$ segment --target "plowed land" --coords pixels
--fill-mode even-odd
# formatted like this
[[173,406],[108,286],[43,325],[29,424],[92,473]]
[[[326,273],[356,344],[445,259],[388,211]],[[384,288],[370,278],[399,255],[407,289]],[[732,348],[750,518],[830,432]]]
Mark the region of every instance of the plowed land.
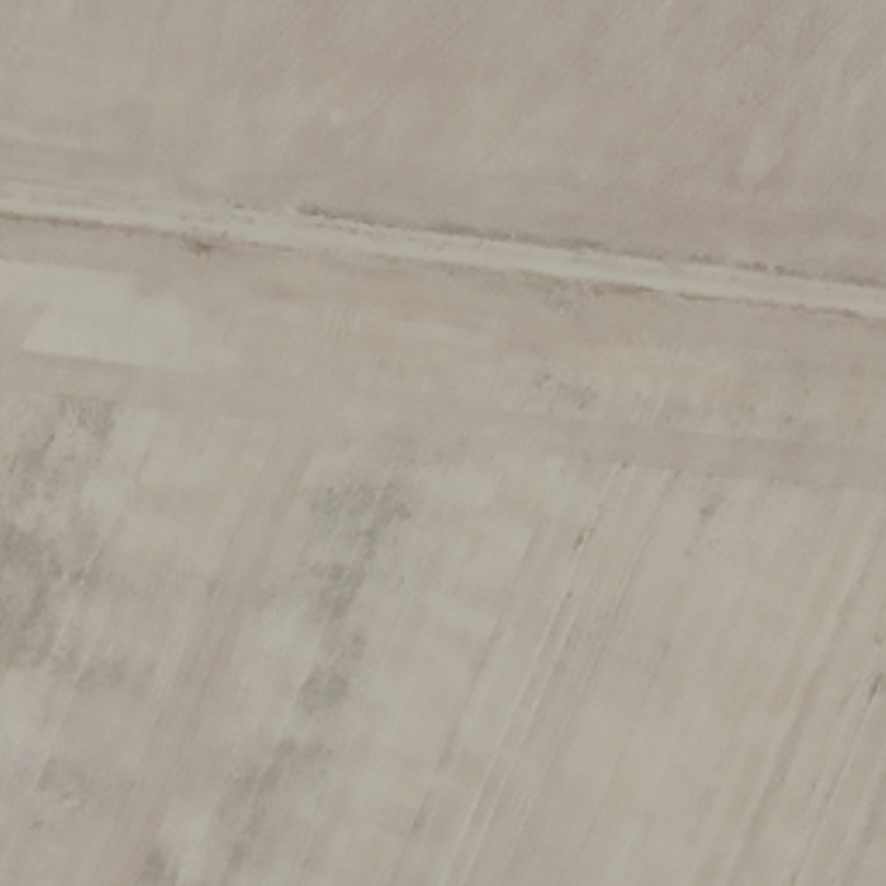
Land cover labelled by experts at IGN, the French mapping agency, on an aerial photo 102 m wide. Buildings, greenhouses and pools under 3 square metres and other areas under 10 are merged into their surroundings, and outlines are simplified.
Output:
[[201,239],[190,232],[166,232],[152,225],[0,211],[0,886],[886,886],[886,311],[872,318],[851,308],[806,308],[754,298],[658,291],[640,284],[578,280],[536,270],[491,270],[446,260],[408,260],[363,249],[350,256],[339,249],[305,249],[228,235]]
[[218,201],[228,208],[270,211],[287,204],[298,215],[350,218],[384,228],[526,242],[547,249],[595,249],[661,263],[706,263],[799,280],[879,287],[886,294],[886,0],[0,0],[0,197],[10,197],[10,183],[24,183],[31,201],[87,208],[132,204],[135,211],[149,211],[149,201]]

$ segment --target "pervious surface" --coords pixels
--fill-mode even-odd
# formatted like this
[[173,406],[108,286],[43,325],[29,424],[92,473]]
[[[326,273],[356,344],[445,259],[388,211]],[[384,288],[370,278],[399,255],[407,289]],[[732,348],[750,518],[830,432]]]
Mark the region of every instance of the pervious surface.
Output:
[[363,249],[408,260],[446,260],[491,270],[536,270],[578,280],[640,284],[658,291],[754,298],[806,308],[851,308],[872,318],[886,311],[886,294],[879,287],[799,280],[706,263],[661,263],[595,249],[547,249],[526,242],[384,228],[350,218],[298,215],[287,204],[270,211],[228,208],[218,201],[149,201],[149,211],[135,211],[132,204],[87,208],[31,201],[24,183],[10,183],[10,197],[0,197],[0,211],[152,225],[166,232],[190,232],[201,239],[228,235],[305,249],[339,249],[350,256]]

